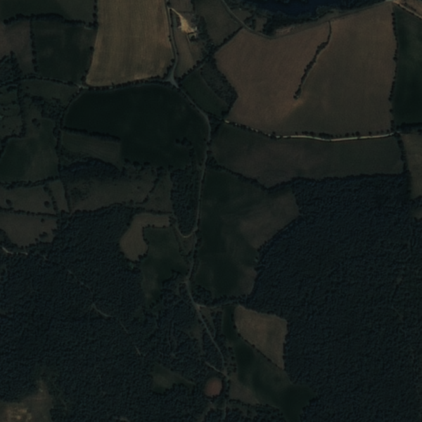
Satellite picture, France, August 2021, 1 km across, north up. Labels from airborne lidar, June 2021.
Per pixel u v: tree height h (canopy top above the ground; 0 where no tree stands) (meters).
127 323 15
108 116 0
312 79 0
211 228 0
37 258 13
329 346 12
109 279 14
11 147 0
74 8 0
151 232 0
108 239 14
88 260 12
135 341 13
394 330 13
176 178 10
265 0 8
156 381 0
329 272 10
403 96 0
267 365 0
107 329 14
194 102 7
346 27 0
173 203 9
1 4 0
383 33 0
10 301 16
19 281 12
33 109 0
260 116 0
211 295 12
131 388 11
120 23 0
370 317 10
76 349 12
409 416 10
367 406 11
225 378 11
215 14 0
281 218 0
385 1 0
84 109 0
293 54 0
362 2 8
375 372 12
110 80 0
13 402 13
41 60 0
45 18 15
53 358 9
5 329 12
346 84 0
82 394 12
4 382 13
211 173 0
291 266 20
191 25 0
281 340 0
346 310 13
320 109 0
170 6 9
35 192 0
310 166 0
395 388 13
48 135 0
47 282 17
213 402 14
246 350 0
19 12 0
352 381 14
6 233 7
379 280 11
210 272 0
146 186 0
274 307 12
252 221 0
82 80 7
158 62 0
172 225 8
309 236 18
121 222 15
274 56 0
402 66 0
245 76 0
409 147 0
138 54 0
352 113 0
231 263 0
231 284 0
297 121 0
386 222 17
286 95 0
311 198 15
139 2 0
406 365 8
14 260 9
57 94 0
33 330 7
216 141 0
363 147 0
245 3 8
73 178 14
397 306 12
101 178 10
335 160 0
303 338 12
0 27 0
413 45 0
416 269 12
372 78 0
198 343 6
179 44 0
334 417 13
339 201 15
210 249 0
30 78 10
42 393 0
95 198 0
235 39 0
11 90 9
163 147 0
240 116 0
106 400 9
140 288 13
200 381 12
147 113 0
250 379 0
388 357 14
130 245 0
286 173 0
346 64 0
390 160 0
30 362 11
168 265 0
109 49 0
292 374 13
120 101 0
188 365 14
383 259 16
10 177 0
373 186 18
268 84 0
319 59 0
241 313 0
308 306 9
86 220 7
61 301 14
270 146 0
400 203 17
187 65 0
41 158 0
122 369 11
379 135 9
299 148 0
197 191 7
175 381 0
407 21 0
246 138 0
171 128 0
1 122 0
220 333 11
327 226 15
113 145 0
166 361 10
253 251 0
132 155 0
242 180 11
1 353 7
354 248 12
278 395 0
